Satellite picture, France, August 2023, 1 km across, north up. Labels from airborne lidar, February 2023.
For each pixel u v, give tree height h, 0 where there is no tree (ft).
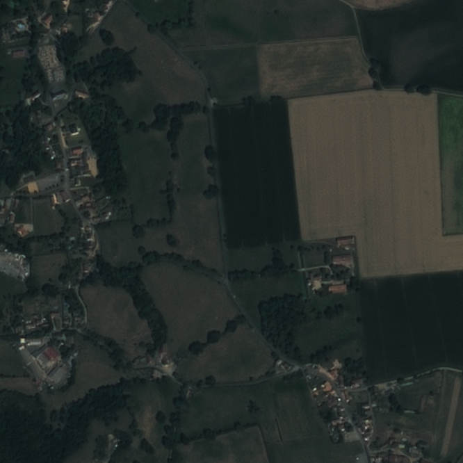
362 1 0
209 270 0
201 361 0
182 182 0
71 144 0
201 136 0
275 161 0
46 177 0
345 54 0
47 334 28
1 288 0
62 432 68
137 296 62
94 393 55
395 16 0
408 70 0
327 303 0
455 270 0
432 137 0
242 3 0
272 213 0
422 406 0
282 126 0
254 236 0
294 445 0
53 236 35
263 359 0
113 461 21
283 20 0
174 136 64
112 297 0
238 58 0
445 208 0
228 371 0
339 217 0
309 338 0
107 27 0
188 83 0
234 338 0
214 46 0
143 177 0
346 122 0
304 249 43
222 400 0
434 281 0
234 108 0
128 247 0
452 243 0
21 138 67
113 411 44
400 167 0
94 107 49
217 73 0
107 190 31
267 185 0
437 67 0
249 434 0
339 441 23
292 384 0
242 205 0
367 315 0
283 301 64
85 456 0
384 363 0
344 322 0
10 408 53
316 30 0
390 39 0
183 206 0
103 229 0
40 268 0
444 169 0
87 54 0
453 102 0
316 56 0
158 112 61
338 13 0
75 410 63
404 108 0
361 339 0
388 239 0
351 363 41
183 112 67
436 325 0
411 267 0
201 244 0
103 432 0
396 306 0
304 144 0
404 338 0
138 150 0
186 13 0
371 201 0
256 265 0
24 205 0
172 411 0
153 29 52
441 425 0
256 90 0
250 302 0
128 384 65
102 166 49
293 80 0
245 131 0
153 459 0
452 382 0
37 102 53
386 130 0
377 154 0
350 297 0
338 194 0
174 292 0
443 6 0
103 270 83
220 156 0
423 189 0
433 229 0
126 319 0
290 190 0
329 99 0
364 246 0
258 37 0
